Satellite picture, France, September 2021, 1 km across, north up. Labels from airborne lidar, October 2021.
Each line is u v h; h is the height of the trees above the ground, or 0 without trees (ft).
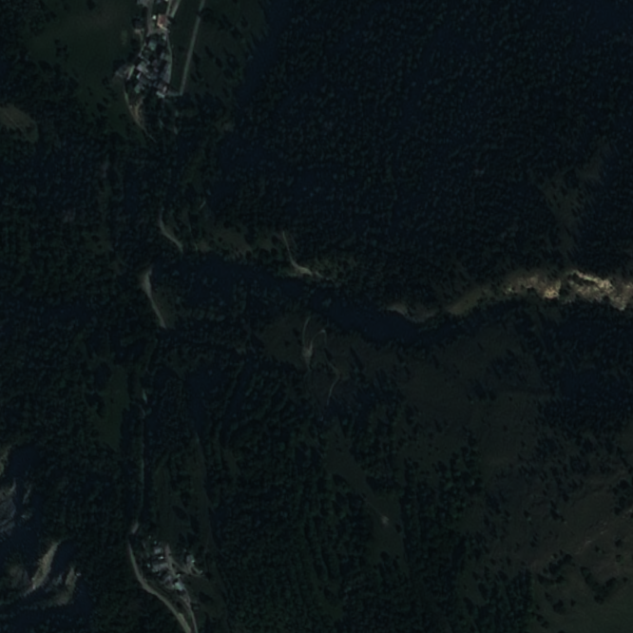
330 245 28
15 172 61
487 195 57
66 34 0
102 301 77
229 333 59
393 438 44
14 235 70
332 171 80
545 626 41
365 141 67
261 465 73
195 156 72
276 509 66
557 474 27
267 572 75
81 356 48
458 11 84
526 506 0
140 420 56
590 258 32
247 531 75
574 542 0
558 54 62
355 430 29
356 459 40
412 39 97
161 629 72
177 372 0
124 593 38
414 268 74
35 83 101
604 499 0
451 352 0
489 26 75
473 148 106
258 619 36
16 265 58
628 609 0
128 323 93
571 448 0
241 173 72
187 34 0
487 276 28
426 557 54
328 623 59
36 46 0
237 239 0
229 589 38
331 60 81
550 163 39
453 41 86
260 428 49
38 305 58
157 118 33
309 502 40
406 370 0
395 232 40
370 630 106
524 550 0
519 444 0
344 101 84
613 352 50
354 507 72
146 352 69
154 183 73
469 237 38
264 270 33
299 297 73
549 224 43
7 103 42
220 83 0
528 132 55
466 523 0
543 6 61
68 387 34
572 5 54
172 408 63
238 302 100
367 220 53
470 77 94
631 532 0
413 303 24
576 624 0
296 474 52
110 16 0
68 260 25
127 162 38
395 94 52
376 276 73
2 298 98
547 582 27
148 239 51
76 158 88
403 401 37
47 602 36
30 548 21
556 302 36
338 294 36
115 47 0
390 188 73
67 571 25
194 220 25
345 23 104
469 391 0
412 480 46
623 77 66
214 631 50
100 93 0
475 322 0
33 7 59
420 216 107
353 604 84
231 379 43
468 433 20
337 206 47
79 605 30
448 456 0
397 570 54
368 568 59
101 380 0
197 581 0
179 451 37
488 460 0
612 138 22
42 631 61
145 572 24
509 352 0
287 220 48
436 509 41
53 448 28
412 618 52
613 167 22
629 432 0
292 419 45
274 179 105
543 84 60
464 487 37
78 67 0
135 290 57
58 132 62
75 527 65
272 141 85
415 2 85
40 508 138
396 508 0
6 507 0
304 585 56
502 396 0
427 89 61
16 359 33
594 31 42
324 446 39
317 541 48
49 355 57
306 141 42
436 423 0
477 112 106
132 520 49
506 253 43
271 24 0
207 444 55
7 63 37
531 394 0
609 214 36
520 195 47
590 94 32
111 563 74
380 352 24
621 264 23
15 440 49
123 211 31
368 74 97
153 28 0
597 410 36
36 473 71
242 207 65
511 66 61
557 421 37
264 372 54
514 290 30
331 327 70
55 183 98
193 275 84
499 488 0
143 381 0
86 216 65
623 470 18
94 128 70
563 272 21
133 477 44
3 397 70
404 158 65
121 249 76
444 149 74
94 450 47
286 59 63
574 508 0
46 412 44
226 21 0
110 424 0
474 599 0
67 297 88
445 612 44
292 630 26
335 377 32
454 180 66
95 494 86
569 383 0
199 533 50
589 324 53
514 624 60
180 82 0
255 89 51
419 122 41
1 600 60
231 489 56
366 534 56
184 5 0
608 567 0
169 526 0
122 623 37
